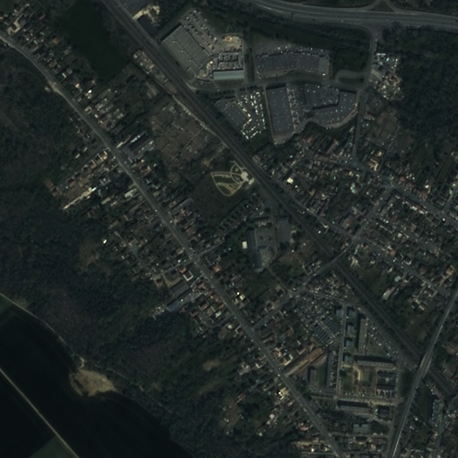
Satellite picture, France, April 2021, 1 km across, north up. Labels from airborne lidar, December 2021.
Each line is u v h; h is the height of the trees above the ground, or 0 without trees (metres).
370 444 0
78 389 0
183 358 22
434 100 16
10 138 13
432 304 0
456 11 31
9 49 17
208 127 0
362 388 21
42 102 17
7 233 29
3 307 0
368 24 0
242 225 9
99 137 0
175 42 0
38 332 0
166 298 12
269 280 0
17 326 0
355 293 7
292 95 0
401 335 0
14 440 0
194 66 0
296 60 0
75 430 0
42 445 0
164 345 21
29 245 16
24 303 0
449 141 23
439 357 8
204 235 9
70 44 9
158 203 0
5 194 24
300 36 0
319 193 7
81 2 0
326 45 0
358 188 0
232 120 0
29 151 23
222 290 0
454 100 21
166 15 23
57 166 20
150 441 0
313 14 0
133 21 0
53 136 22
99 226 15
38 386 0
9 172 22
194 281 0
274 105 0
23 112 11
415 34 21
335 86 0
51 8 27
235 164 0
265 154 0
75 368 0
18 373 0
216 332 8
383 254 0
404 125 25
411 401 0
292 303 7
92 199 6
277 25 18
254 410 18
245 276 7
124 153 5
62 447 0
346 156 0
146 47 0
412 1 0
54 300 19
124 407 0
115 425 0
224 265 0
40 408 0
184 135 0
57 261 17
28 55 0
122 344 15
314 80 0
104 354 21
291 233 0
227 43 0
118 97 7
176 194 13
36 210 19
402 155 0
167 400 18
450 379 7
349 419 14
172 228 0
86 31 0
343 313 0
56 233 22
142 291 14
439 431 0
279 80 0
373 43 0
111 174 0
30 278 22
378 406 0
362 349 0
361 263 5
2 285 18
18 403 0
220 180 0
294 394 0
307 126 7
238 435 23
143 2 0
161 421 16
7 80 18
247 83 0
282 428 0
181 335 18
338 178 8
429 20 0
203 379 8
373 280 0
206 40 0
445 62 18
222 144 0
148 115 10
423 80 24
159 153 12
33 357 0
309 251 0
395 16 0
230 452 28
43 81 7
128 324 12
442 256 0
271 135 0
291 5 0
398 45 25
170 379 0
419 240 0
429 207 0
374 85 0
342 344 0
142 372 22
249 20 0
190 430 18
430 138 21
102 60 0
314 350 0
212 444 17
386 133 0
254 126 0
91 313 24
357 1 19
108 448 0
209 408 21
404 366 0
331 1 0
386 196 0
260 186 0
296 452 22
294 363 0
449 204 0
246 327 0
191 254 0
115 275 12
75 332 24
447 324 12
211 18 0
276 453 23
